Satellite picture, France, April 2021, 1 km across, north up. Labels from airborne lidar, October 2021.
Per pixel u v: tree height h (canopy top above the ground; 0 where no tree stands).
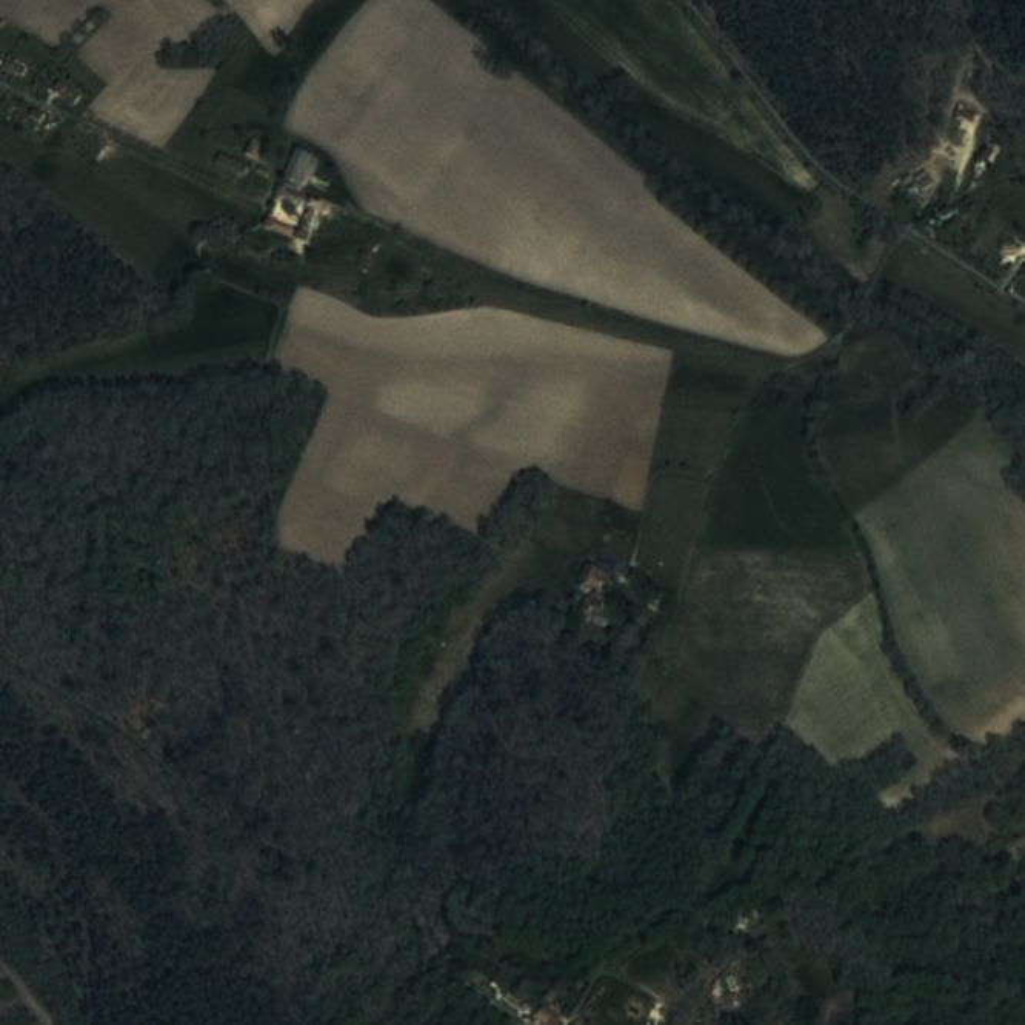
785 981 15
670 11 0
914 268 0
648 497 0
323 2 0
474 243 0
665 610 7
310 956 18
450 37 0
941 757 0
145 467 15
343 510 0
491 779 20
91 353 0
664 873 26
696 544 0
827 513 0
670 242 0
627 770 26
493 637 22
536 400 0
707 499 0
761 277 9
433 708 0
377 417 0
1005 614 0
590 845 14
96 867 20
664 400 0
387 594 14
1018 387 17
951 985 23
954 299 0
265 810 18
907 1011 16
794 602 0
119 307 16
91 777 19
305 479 0
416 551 23
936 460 0
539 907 22
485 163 0
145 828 14
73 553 24
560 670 17
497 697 26
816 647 0
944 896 20
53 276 23
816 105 18
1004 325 0
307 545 0
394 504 9
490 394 0
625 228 0
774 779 20
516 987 10
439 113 0
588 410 0
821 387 8
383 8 0
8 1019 7
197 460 24
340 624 22
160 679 16
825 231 0
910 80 16
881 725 0
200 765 19
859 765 14
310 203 0
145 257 0
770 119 0
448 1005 13
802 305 14
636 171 0
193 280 19
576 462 0
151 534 23
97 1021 16
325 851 18
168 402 21
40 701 13
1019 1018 18
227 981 25
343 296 0
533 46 29
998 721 0
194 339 0
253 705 24
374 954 19
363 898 21
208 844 15
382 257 0
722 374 0
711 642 0
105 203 0
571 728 24
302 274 0
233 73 0
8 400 0
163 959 22
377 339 0
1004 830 17
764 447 0
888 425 0
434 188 0
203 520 11
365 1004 22
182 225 0
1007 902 15
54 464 16
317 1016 19
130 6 0
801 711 0
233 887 23
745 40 21
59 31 0
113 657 13
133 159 0
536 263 0
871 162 9
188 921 22
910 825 20
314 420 6
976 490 0
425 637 18
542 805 21
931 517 0
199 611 19
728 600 0
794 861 24
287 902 18
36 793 19
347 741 20
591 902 23
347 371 0
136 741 12
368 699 17
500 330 0
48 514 20
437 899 22
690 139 0
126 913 14
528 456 0
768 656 0
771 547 0
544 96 0
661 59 0
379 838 23
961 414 0
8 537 21
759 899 18
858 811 23
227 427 23
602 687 20
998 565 0
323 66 0
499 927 17
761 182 0
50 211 18
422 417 0
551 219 0
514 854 19
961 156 0
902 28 22
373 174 0
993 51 24
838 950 20
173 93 0
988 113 12
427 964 7
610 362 0
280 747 21
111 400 15
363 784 25
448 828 21
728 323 0
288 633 12
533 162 0
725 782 11
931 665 0
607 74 0
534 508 23
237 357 0
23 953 8
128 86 0
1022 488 18
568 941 22
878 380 0
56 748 19
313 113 0
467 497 0
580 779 19
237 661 20
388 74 0
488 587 21
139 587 24
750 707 0
